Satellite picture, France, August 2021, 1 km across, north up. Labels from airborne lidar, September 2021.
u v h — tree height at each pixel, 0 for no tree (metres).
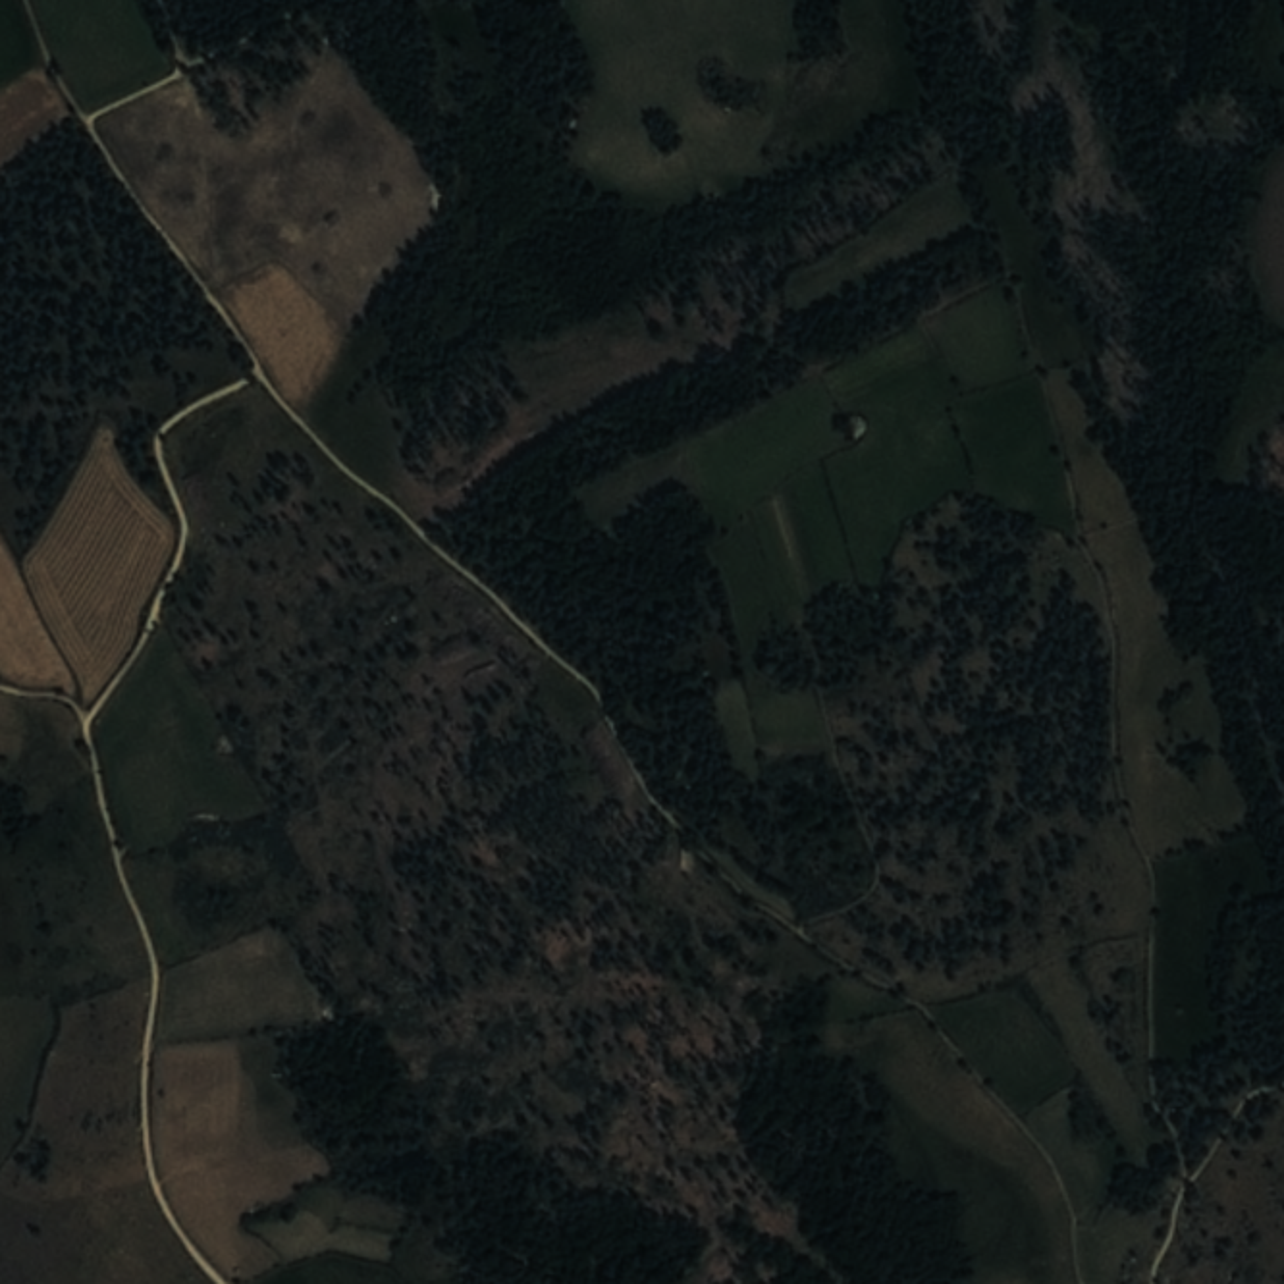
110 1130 0
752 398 17
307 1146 0
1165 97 18
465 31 0
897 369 0
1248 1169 0
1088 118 0
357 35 23
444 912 10
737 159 0
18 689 0
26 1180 0
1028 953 0
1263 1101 9
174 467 0
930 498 0
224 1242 0
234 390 0
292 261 0
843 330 14
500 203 8
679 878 0
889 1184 13
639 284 10
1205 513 24
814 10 14
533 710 15
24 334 17
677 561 13
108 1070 0
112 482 0
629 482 0
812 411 0
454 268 10
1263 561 18
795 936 0
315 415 0
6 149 0
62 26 0
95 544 0
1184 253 13
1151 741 0
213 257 0
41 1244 0
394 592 0
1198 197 18
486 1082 12
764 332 9
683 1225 20
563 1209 15
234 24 22
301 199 0
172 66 0
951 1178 0
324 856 0
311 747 0
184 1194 0
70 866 0
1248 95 17
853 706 9
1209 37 21
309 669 0
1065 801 17
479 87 13
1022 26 18
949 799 15
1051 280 9
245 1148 0
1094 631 13
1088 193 0
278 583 0
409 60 18
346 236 0
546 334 9
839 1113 14
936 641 16
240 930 0
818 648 12
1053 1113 0
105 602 0
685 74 0
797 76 0
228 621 0
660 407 18
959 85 10
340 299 0
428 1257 0
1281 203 0
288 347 0
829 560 0
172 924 0
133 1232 0
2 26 0
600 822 14
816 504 0
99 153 13
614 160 0
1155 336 19
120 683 0
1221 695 17
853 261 0
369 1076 18
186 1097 0
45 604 0
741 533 0
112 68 0
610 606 20
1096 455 0
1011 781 0
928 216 0
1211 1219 0
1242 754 17
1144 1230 0
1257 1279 0
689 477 0
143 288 20
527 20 17
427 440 19
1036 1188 0
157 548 0
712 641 0
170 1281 0
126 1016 0
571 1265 18
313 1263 0
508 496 8
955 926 10
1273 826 19
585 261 13
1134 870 0
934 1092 0
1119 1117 0
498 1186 15
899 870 0
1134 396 19
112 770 0
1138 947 0
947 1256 10
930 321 0
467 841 12
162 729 0
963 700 11
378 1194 11
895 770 0
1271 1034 16
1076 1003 0
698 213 12
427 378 12
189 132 0
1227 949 12
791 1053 5
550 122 13
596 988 0
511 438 0
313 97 0
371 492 0
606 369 0
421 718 0
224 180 0
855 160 14
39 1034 0
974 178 13
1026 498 0
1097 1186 0
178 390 6
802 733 0
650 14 0
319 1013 0
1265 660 21
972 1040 0
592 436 19
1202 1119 16
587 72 11
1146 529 13
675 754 15
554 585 16
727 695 0
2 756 7
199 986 0
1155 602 0
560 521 19
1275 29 0
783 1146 20
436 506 0
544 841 15
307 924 0
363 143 0
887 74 0
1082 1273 0
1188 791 0
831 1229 12
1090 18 14
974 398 0
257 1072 0
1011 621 7
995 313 0
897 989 8
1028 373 0
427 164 12
